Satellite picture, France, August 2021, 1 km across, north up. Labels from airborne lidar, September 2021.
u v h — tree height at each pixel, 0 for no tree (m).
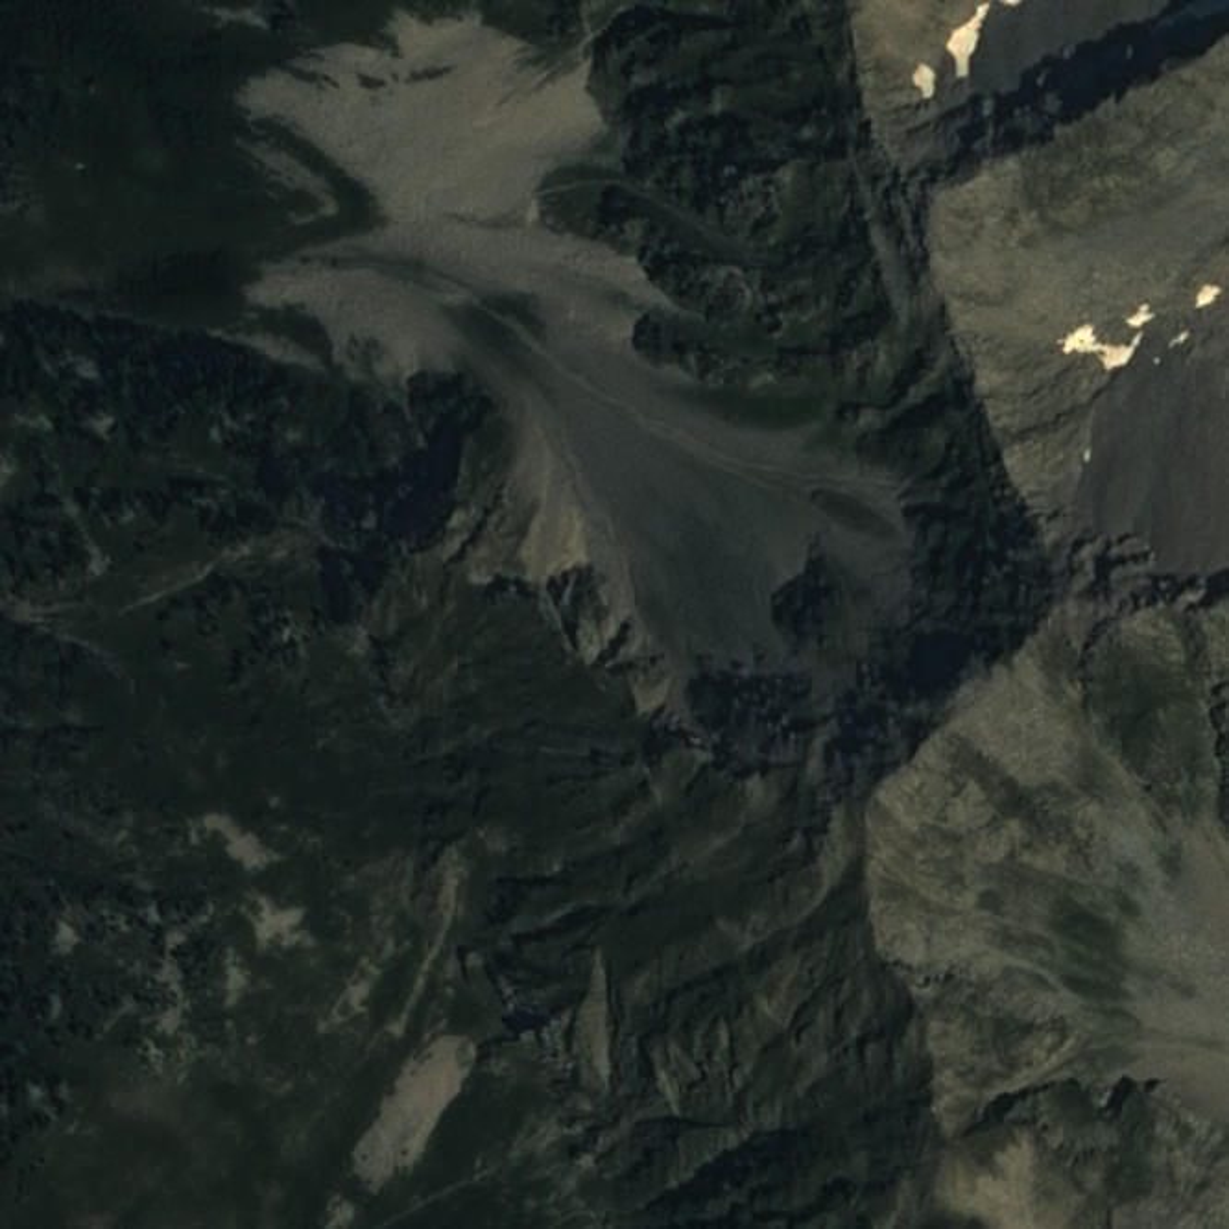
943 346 0
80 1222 0
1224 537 0
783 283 0
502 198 0
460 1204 0
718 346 0
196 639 0
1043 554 0
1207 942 0
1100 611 0
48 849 0
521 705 0
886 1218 0
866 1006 0
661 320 0
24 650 6
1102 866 0
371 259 0
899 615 0
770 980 0
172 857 0
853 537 0
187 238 0
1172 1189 0
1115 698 0
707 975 0
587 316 0
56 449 0
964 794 0
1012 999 0
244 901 0
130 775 0
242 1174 0
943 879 0
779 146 0
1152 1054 0
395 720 0
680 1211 9
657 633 0
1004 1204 0
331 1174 0
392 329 0
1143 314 0
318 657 0
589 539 0
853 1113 0
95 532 0
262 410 8
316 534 0
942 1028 0
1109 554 0
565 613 0
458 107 0
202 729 0
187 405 6
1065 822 0
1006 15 0
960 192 0
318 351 0
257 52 0
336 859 0
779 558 0
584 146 0
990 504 0
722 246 0
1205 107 0
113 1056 0
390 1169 0
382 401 0
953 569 0
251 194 0
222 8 0
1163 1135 0
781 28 0
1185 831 0
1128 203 0
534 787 0
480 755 0
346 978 0
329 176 0
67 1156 0
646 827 0
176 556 0
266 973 0
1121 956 0
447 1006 0
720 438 0
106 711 0
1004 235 0
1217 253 0
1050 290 0
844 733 0
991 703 0
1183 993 0
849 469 0
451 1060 0
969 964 0
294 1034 0
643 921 0
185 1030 0
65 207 0
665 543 0
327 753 0
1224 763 0
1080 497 0
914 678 0
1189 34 0
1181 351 0
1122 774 0
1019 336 0
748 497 0
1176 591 0
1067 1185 0
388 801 0
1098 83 0
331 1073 0
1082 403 0
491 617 0
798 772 0
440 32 0
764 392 0
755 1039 0
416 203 0
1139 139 0
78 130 0
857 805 0
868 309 0
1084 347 0
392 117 0
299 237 0
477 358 0
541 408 0
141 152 0
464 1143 0
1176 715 0
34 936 6
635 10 0
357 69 0
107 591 0
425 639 0
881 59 0
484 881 0
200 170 0
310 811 0
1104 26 0
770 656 0
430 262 0
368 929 0
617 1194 0
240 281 0
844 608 0
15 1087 8
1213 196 0
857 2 0
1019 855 0
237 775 0
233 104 0
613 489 0
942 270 0
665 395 0
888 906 0
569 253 0
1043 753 0
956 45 0
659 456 0
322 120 0
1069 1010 0
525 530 0
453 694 0
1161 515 0
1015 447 0
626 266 0
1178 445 0
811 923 0
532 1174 0
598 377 0
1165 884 0
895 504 0
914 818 0
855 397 0
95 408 8
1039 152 0
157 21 0
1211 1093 0
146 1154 0
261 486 0
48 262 0
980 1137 0
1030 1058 0
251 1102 0
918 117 0
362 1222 0
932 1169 0
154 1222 0
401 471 0
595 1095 0
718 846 0
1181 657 0
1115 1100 0
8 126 7
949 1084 0
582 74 0
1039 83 0
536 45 0
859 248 0
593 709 0
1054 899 0
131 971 0
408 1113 0
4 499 0
